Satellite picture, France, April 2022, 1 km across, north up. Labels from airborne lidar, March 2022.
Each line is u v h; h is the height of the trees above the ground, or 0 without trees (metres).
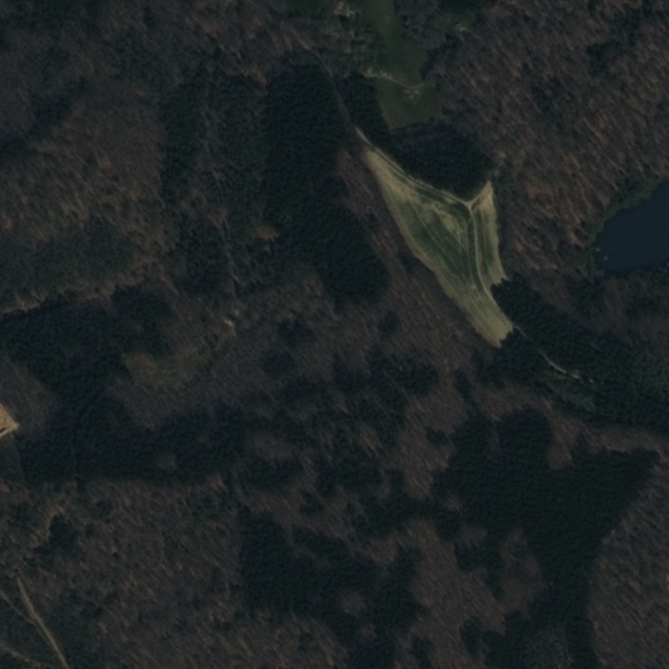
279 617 21
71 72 20
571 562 23
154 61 25
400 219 0
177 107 21
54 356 28
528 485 25
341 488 25
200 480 31
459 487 27
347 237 24
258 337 19
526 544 12
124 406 24
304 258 27
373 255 28
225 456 31
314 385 23
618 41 25
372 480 28
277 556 29
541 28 24
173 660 27
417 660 29
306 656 24
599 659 18
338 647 24
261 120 24
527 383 27
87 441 28
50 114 19
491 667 19
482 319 0
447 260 0
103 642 22
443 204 0
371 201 22
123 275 23
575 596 24
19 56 24
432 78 25
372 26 6
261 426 28
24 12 21
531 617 15
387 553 20
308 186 30
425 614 30
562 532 22
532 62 27
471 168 22
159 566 28
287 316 24
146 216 25
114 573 25
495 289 0
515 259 32
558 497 22
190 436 30
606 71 32
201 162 28
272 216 19
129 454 34
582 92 29
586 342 32
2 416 0
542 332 34
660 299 15
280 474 24
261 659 28
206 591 23
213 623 26
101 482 23
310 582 28
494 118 27
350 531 19
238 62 26
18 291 20
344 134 28
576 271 37
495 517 29
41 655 20
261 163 28
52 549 22
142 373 0
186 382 0
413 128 9
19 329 31
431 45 21
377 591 27
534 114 31
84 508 21
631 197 16
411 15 29
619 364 29
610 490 24
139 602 22
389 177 0
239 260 25
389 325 23
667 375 26
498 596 29
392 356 23
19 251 25
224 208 28
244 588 26
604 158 28
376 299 28
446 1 16
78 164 24
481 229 0
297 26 25
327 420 25
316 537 22
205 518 29
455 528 34
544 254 35
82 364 22
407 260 24
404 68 0
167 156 23
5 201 26
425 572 25
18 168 26
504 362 33
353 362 27
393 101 0
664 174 19
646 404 27
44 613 22
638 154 29
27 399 22
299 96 25
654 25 25
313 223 25
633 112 31
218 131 23
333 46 19
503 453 25
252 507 22
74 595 6
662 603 26
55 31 24
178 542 28
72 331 27
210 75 30
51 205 28
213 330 23
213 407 20
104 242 25
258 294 30
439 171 26
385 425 26
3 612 27
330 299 23
